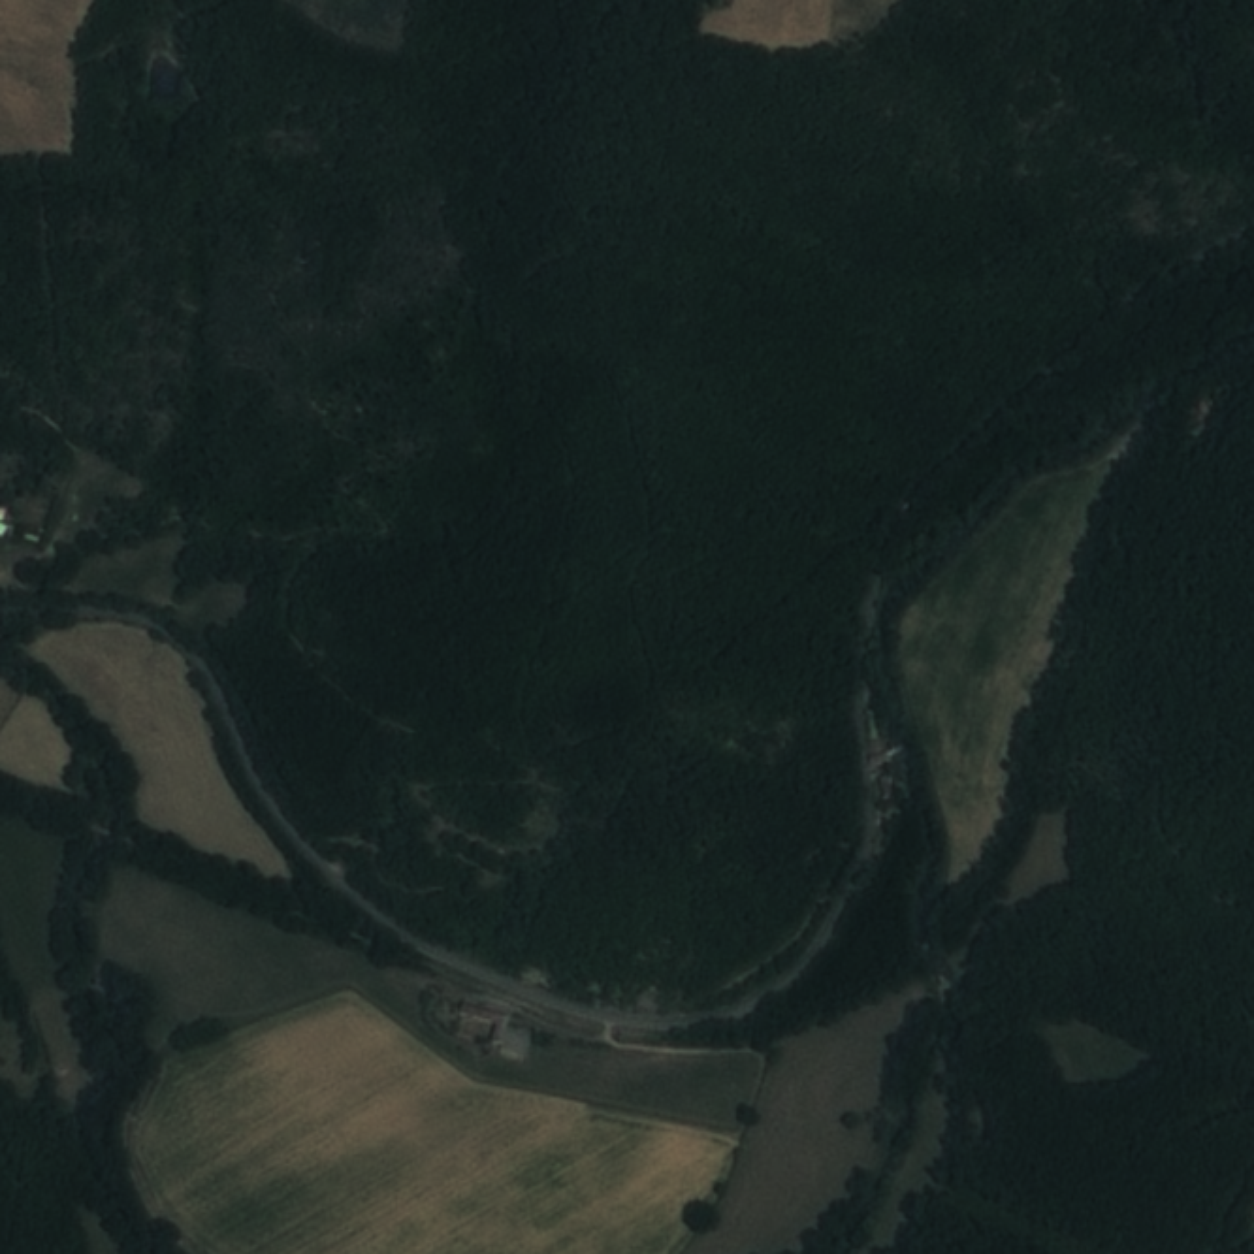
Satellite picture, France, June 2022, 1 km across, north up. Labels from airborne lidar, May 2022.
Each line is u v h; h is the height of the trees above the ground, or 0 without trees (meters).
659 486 13
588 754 13
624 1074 0
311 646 9
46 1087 18
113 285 12
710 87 13
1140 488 22
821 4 0
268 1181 0
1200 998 22
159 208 9
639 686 8
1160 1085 22
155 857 12
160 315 10
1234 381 21
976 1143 27
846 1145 0
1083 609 18
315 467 8
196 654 13
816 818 10
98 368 8
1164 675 22
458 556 10
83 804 21
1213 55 16
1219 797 16
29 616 18
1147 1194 21
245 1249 0
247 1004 0
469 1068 0
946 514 17
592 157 12
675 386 13
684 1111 0
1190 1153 19
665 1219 0
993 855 13
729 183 17
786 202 15
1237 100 17
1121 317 25
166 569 0
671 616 18
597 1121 0
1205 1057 26
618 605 8
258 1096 0
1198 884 16
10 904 0
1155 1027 26
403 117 10
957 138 7
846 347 21
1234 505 20
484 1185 0
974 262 17
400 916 11
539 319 15
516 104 17
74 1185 20
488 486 7
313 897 21
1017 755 19
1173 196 15
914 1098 23
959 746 0
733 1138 0
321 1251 0
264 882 11
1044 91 10
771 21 0
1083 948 19
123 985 28
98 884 29
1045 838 0
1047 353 17
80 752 15
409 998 0
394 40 0
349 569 8
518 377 10
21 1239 17
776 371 21
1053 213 19
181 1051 14
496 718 9
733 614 19
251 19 11
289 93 10
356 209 11
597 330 15
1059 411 27
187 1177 0
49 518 6
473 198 21
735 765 10
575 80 23
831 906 12
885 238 18
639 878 13
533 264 7
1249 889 19
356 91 11
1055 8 18
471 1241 0
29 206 16
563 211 15
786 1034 19
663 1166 0
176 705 0
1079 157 12
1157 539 23
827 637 22
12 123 0
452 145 15
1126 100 21
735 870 15
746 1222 0
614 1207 0
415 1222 0
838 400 22
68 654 0
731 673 23
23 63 0
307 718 12
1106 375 29
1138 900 11
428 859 14
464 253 10
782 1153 0
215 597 0
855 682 27
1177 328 27
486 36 24
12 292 17
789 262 22
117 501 9
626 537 7
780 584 17
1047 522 0
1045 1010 22
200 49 18
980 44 11
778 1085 0
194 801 0
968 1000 23
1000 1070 22
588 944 12
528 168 26
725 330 18
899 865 15
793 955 12
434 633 8
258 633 9
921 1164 0
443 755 10
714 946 11
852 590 21
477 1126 0
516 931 13
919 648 0
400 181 9
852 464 22
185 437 7
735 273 19
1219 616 18
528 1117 0
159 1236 21
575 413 7
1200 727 20
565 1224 0
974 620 0
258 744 14
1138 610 19
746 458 20
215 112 16
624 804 13
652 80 15
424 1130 0
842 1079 0
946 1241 29
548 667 7
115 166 10
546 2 24
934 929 20
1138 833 14
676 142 9
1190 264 16
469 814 10
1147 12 17
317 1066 0
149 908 0
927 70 12
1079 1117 22
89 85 10
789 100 15
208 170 14
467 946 6
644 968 10
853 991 12
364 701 10
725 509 23
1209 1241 17
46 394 13
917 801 17
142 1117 0
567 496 9
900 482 16
